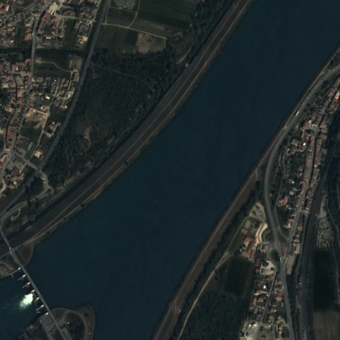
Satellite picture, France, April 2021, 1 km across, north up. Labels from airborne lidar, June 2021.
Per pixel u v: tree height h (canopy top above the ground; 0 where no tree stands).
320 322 0
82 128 0
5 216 0
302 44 0
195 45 12
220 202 0
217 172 0
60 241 0
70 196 0
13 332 0
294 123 0
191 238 0
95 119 6
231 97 0
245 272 0
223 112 0
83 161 10
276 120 0
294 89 0
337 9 0
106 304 0
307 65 0
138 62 16
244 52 0
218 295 6
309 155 0
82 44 0
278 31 0
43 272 0
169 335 0
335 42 0
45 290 0
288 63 0
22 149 0
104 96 6
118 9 0
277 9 0
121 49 0
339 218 6
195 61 0
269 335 0
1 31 0
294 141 0
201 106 0
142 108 11
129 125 24
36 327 14
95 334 0
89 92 12
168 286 0
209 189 0
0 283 0
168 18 0
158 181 0
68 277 0
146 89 9
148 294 0
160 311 0
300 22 0
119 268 0
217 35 0
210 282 0
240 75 0
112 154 0
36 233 0
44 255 0
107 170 0
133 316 0
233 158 0
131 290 0
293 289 10
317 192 0
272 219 0
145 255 0
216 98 0
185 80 0
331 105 0
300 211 0
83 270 0
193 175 0
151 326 0
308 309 11
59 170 11
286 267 0
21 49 7
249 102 0
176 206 0
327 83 11
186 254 0
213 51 0
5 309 0
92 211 0
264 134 0
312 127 0
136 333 0
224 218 0
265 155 0
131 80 12
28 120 0
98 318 0
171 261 0
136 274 0
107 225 0
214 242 0
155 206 0
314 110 11
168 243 0
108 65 27
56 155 10
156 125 0
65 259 0
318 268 0
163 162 0
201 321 11
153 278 0
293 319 7
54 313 0
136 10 0
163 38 0
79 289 0
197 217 0
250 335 0
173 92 0
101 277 0
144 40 0
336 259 8
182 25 0
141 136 0
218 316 6
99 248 0
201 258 0
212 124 0
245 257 0
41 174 0
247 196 0
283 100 0
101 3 6
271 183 0
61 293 0
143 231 0
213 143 0
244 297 0
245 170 0
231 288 0
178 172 0
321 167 16
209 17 25
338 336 0
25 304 0
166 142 0
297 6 0
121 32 0
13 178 0
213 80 0
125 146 0
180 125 0
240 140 0
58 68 0
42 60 0
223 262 0
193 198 0
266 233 0
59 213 0
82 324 10
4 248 0
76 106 14
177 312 0
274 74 0
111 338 0
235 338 11
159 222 0
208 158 0
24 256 0
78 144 17
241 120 0
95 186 0
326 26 0
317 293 0
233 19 0
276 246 0
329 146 7
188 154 0
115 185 0
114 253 0
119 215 0
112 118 7
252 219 0
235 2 0
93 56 12
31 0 0
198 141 0
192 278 0
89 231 0
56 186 11
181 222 0
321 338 0
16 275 0
